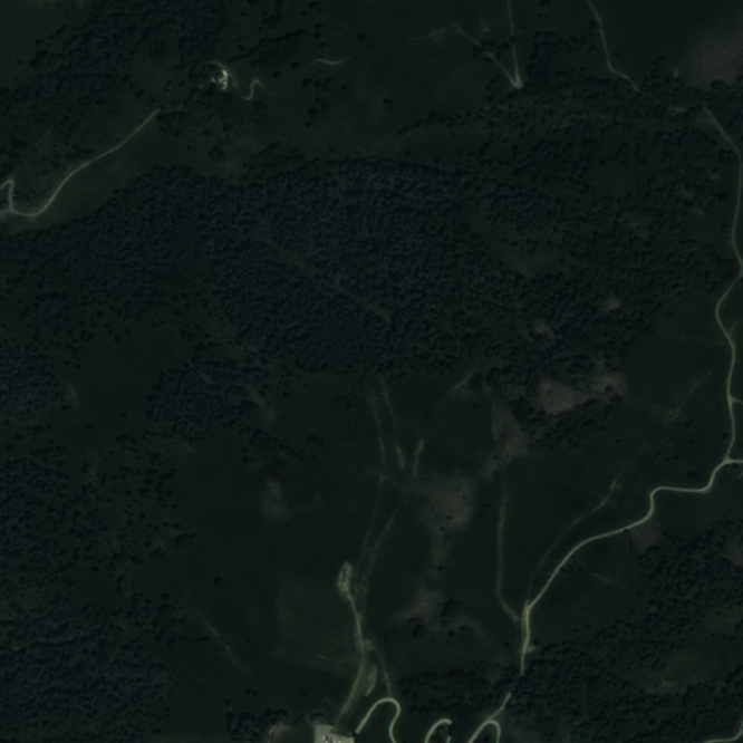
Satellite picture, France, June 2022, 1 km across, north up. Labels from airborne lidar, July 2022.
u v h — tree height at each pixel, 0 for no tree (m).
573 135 13
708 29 0
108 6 24
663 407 0
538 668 12
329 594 0
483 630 0
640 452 0
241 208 19
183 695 0
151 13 19
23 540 16
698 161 15
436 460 0
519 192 8
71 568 9
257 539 0
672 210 15
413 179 22
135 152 0
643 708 10
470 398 0
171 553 0
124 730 9
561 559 0
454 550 0
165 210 14
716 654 0
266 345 13
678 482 0
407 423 0
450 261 20
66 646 16
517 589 0
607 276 10
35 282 7
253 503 0
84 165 0
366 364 20
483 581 0
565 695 11
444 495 0
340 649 0
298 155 8
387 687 0
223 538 0
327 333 23
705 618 10
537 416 8
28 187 0
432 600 0
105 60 20
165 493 12
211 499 0
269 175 13
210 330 0
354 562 0
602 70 0
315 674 0
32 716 13
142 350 0
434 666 0
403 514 0
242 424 10
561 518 0
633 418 0
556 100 11
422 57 0
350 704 0
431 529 0
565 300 22
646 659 13
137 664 7
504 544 0
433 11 0
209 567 0
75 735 6
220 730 0
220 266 25
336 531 0
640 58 0
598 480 0
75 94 21
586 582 0
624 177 0
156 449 0
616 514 0
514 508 0
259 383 12
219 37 8
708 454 0
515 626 0
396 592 0
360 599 0
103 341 0
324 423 0
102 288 21
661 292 9
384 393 0
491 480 0
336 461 0
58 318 14
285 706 0
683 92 14
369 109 0
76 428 0
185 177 17
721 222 0
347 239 25
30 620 9
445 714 15
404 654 0
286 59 21
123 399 0
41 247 14
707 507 0
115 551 8
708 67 0
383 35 0
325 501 0
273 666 0
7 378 14
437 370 21
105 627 14
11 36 0
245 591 0
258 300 15
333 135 0
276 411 0
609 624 0
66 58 17
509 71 0
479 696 9
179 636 6
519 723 6
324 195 6
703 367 0
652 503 0
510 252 0
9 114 22
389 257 28
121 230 17
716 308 0
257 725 18
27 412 12
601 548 0
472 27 0
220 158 10
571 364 10
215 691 0
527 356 7
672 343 0
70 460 0
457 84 0
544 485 0
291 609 0
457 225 15
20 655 13
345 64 0
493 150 11
